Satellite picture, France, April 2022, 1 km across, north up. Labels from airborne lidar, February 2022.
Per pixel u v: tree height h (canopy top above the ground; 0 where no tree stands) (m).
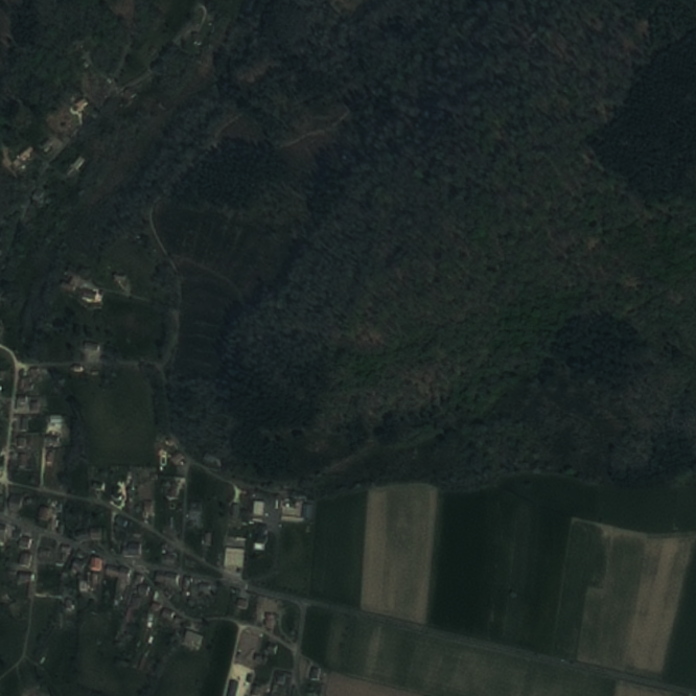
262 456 26
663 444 24
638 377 17
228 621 0
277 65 26
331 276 27
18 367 0
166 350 23
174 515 0
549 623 0
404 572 0
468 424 24
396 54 31
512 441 18
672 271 15
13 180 9
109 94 0
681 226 26
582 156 23
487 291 31
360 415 22
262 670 0
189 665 0
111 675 0
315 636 0
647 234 15
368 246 24
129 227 26
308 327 31
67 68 22
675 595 0
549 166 25
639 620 0
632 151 18
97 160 11
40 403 0
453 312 26
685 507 0
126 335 0
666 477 25
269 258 0
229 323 0
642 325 13
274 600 0
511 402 23
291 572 0
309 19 25
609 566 0
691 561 0
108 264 0
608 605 0
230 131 0
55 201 17
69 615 0
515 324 26
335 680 0
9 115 15
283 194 14
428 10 31
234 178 22
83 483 0
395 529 0
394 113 13
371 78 25
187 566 0
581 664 0
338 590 0
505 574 0
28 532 0
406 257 30
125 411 0
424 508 0
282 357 21
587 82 28
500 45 29
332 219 25
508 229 30
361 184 29
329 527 0
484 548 0
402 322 28
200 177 23
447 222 28
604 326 38
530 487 7
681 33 12
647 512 0
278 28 25
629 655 0
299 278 27
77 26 19
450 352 29
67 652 0
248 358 26
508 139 23
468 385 25
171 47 11
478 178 30
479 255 23
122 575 0
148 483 0
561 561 0
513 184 26
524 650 0
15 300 21
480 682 0
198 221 0
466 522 0
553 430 16
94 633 0
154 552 0
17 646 0
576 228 28
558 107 28
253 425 29
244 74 24
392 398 30
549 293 13
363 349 20
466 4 29
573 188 24
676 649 0
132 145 12
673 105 18
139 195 28
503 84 28
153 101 0
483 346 23
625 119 18
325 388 34
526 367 15
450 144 35
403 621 0
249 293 0
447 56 31
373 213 28
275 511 0
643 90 17
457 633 0
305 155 0
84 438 22
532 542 0
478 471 20
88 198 21
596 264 25
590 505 0
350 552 0
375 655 0
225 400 15
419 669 0
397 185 28
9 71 23
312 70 20
